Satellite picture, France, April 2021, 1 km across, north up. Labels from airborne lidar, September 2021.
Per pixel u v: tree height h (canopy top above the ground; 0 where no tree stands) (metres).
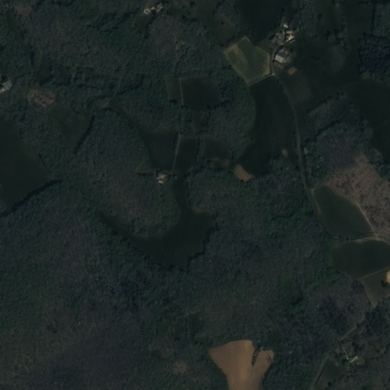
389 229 0
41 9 18
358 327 13
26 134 22
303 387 16
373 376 20
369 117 0
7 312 10
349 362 11
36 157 0
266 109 0
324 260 18
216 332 16
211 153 0
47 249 15
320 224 22
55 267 19
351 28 0
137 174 10
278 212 16
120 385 13
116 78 18
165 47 17
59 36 6
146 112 16
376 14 16
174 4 0
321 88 0
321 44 0
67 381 12
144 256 20
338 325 25
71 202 23
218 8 12
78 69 9
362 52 17
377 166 15
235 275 8
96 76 9
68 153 21
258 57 0
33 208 23
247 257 19
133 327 19
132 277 19
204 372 9
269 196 20
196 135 8
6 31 23
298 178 13
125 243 16
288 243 17
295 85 0
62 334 21
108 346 15
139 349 15
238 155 14
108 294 20
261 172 0
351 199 0
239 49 0
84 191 18
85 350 15
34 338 21
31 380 19
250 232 13
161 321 13
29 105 19
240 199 20
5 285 10
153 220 11
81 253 19
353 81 0
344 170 17
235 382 0
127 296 26
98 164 10
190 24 20
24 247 13
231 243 21
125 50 21
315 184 18
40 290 18
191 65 16
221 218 21
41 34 12
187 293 22
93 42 12
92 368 15
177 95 0
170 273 15
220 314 13
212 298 15
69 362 17
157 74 24
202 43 23
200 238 0
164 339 15
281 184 20
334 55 0
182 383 18
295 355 10
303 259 14
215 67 25
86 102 10
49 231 20
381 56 17
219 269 15
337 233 0
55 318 20
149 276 18
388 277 0
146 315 15
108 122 16
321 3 0
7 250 18
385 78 25
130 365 15
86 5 23
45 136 16
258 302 11
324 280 19
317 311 14
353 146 19
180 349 15
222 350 0
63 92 21
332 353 19
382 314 22
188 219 0
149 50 18
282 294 19
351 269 0
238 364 0
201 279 14
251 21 0
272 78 0
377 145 0
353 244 0
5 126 0
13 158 0
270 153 0
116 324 14
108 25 18
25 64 23
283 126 0
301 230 19
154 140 0
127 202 13
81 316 18
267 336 14
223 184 20
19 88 16
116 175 12
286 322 22
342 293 17
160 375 10
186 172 0
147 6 16
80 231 17
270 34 0
